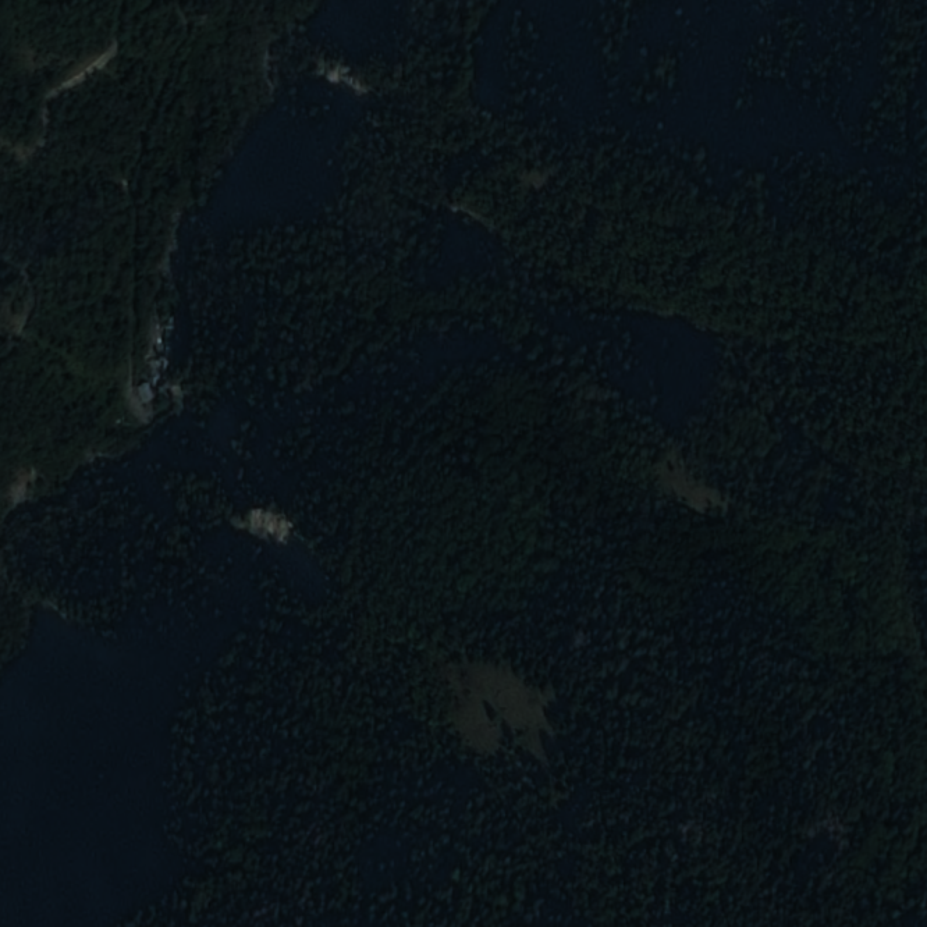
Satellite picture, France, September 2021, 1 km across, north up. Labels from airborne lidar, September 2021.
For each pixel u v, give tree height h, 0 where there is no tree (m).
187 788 28
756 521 10
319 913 26
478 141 14
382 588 26
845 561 19
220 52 24
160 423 10
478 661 16
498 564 27
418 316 28
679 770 24
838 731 35
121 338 21
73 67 10
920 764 28
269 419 29
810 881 35
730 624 25
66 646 11
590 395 24
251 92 26
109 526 29
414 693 21
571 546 29
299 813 27
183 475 10
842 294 25
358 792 21
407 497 28
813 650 22
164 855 22
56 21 27
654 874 23
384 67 6
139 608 24
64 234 15
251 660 27
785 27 19
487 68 9
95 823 18
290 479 17
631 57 6
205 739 26
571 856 10
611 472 22
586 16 20
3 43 25
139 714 19
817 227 27
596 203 16
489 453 30
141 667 8
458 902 29
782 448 16
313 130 14
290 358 17
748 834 27
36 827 25
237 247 21
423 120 15
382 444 27
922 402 23
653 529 25
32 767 19
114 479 19
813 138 10
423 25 22
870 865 26
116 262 20
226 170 12
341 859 19
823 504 8
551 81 20
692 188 12
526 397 30
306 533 23
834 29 9
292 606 22
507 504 24
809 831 33
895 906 13
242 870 27
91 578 30
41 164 25
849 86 9
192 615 28
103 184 21
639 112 14
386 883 28
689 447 19
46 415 30
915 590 17
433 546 27
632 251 15
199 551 14
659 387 11
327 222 25
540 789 26
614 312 6
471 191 21
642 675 24
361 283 29
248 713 33
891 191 10
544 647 27
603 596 22
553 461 30
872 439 15
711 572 28
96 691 15
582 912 18
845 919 28
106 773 21
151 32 22
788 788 26
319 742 26
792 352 26
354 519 30
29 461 14
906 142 15
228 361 31
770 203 14
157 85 19
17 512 10
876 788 28
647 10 13
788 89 12
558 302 23
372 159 20
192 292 24
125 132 18
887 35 9
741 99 16
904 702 29
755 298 23
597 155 25
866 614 19
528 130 9
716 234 22
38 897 10
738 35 8
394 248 15
